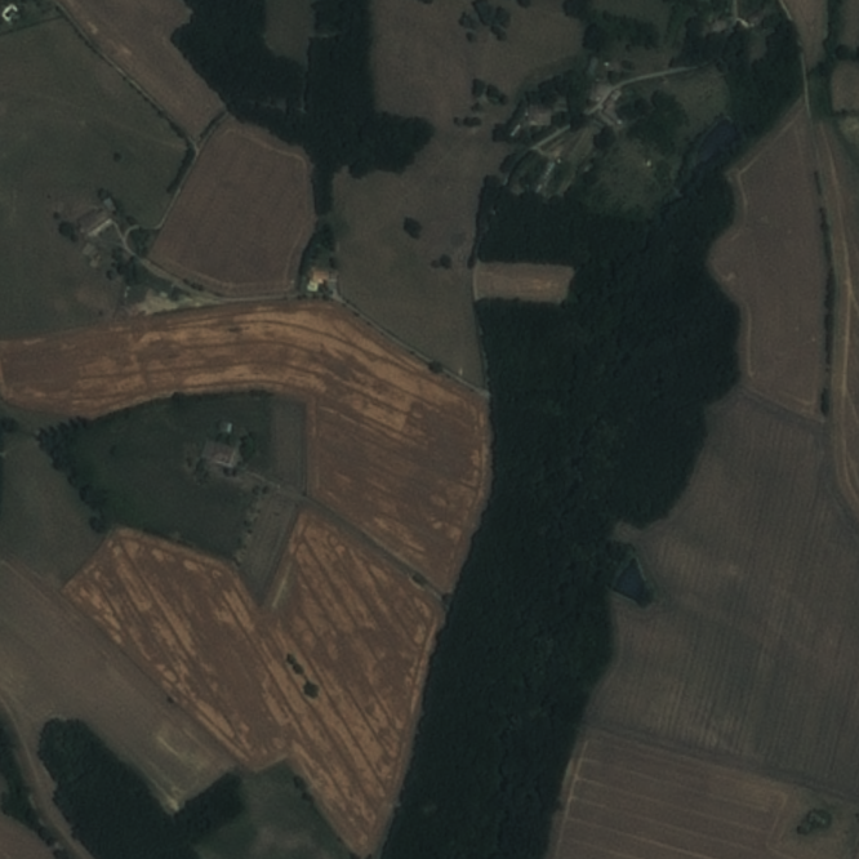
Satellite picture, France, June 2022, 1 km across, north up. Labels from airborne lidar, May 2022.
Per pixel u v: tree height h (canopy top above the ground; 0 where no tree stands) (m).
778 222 0
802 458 0
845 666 0
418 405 0
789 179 0
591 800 0
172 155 0
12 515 0
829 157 0
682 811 0
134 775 12
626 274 28
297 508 0
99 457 0
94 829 15
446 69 0
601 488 17
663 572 0
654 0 0
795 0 0
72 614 0
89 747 12
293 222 0
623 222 13
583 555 19
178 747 0
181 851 16
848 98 0
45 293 0
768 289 0
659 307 24
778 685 0
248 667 0
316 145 11
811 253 0
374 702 0
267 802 0
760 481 0
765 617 0
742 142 26
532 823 20
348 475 0
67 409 0
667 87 0
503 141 11
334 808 0
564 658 19
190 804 12
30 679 0
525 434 18
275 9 0
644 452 21
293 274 0
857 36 0
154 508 0
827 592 0
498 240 11
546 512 23
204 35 13
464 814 20
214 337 0
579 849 0
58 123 0
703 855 0
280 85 13
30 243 0
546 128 8
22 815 6
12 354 0
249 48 15
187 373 0
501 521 15
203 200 0
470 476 0
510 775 26
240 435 0
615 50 0
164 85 0
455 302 0
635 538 0
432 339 0
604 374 16
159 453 0
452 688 18
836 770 0
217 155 0
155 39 0
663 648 0
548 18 0
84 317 0
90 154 0
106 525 8
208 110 0
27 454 0
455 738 19
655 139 6
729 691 0
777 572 0
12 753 7
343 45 16
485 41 0
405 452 0
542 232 15
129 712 0
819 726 0
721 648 0
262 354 0
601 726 0
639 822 0
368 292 0
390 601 0
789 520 0
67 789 16
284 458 0
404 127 20
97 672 0
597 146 12
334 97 14
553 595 26
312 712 0
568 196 13
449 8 0
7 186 0
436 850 22
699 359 12
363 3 24
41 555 0
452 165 0
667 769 0
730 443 0
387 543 0
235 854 0
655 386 23
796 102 0
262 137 0
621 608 0
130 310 0
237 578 0
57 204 0
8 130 0
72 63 0
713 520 0
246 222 0
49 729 13
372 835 0
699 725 0
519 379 8
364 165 22
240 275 0
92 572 0
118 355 0
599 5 0
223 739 0
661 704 0
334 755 0
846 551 0
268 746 0
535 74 0
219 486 0
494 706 24
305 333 0
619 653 0
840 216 0
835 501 0
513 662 23
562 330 12
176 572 0
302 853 0
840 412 0
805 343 0
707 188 22
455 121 11
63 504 0
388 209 0
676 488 16
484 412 0
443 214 0
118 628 0
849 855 0
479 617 17
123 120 0
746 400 0
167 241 0
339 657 0
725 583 0
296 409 0
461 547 0
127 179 0
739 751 0
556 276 0
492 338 17
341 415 0
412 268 0
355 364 0
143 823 14
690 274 17
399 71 0
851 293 0
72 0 0
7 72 0
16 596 0
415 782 16
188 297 0
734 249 0
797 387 0
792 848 0
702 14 9
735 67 16
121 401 0
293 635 0
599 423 20
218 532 0
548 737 24
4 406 0
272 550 0
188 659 0
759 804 0
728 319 12
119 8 0
